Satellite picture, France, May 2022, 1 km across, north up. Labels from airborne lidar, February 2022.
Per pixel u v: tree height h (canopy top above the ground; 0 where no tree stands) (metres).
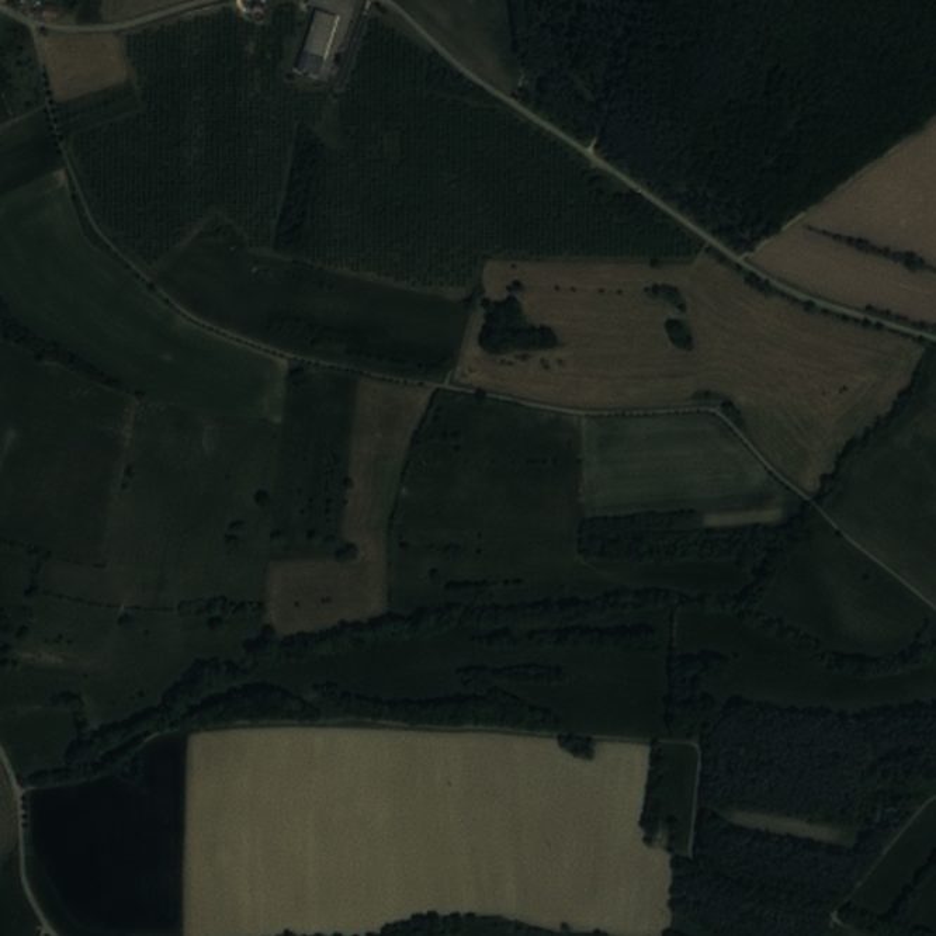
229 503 0
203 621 0
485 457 0
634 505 0
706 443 0
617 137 19
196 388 0
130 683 0
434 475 0
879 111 12
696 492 0
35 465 0
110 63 0
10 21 0
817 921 19
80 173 0
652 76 17
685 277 0
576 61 20
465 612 13
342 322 0
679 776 0
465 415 0
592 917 0
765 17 16
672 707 17
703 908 22
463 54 0
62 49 0
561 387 0
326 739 0
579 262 0
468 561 0
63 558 0
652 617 0
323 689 6
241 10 0
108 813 0
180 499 0
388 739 0
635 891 0
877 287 0
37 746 0
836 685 0
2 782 0
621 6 19
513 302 12
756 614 16
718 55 19
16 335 10
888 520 0
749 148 15
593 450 0
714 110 14
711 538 9
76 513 0
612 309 0
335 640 16
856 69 14
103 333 0
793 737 23
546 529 0
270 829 0
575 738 12
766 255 0
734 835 21
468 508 0
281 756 0
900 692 0
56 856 0
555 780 0
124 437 0
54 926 0
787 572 0
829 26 14
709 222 8
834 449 0
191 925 0
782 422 0
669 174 18
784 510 0
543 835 0
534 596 0
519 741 0
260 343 0
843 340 0
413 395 0
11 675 0
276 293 0
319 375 0
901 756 22
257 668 0
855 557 0
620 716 0
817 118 14
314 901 0
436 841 0
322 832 0
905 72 13
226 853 0
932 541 0
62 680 0
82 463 0
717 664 21
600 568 0
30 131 0
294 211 6
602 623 0
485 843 0
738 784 19
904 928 13
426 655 0
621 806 0
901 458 0
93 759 0
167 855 0
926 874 9
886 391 0
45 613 0
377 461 0
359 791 0
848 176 8
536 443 0
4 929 0
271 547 0
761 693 0
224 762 0
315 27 0
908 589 0
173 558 0
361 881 0
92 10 0
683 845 0
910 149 0
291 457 0
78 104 0
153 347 0
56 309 0
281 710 12
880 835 20
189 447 0
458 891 0
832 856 21
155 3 0
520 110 0
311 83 0
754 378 0
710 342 0
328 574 0
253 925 0
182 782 0
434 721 9
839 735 22
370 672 0
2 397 0
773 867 24
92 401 0
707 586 0
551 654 0
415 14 0
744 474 0
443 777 0
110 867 0
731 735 20
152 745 0
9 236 0
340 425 0
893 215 0
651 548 10
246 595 0
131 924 0
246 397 0
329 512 7
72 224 0
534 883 0
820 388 0
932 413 0
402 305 0
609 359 0
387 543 0
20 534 0
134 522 0
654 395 0
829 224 0
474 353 0
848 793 16
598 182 8
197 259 0
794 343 0
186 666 0
